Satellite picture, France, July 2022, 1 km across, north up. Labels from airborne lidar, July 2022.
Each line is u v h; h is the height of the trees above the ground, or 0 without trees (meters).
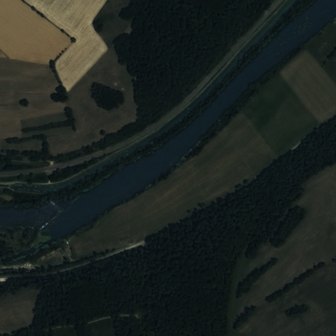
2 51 0
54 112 0
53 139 0
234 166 0
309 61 0
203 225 28
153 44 24
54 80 0
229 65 0
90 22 0
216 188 0
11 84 0
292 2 0
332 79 0
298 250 0
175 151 0
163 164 0
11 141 14
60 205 0
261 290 0
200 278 26
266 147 0
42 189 0
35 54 0
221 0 6
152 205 0
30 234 17
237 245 19
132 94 0
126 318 7
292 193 23
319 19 0
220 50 17
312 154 18
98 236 0
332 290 0
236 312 0
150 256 25
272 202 21
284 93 0
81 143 0
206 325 21
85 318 9
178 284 23
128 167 0
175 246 24
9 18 0
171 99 15
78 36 0
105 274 24
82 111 0
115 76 0
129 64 20
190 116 6
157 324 20
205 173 0
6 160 18
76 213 0
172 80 21
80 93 0
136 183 0
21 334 17
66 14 0
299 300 0
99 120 0
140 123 16
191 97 0
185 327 26
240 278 0
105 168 13
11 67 0
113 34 0
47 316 23
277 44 0
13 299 0
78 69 0
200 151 15
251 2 23
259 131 0
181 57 25
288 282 0
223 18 20
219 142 0
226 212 28
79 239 0
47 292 20
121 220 0
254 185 18
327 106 0
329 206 0
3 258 15
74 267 0
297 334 0
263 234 25
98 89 29
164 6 24
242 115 0
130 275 7
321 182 0
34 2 0
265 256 0
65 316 25
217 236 16
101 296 15
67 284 24
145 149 14
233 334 0
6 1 0
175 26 24
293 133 0
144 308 11
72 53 0
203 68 17
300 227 0
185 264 25
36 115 0
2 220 0
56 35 0
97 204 0
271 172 22
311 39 0
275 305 0
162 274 20
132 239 0
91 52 0
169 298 27
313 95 0
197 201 0
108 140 16
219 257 20
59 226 0
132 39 26
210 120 0
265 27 0
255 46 9
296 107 0
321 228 0
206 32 15
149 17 19
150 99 19
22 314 0
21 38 0
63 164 0
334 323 0
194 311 26
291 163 16
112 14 0
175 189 0
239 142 0
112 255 0
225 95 0
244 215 17
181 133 0
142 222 0
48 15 0
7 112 0
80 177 0
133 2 18
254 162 0
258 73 0
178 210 0
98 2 0
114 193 0
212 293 24
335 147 14
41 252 15
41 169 0
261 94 0
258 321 0
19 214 0
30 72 0
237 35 15
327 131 18
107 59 0
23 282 10
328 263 0
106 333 0
